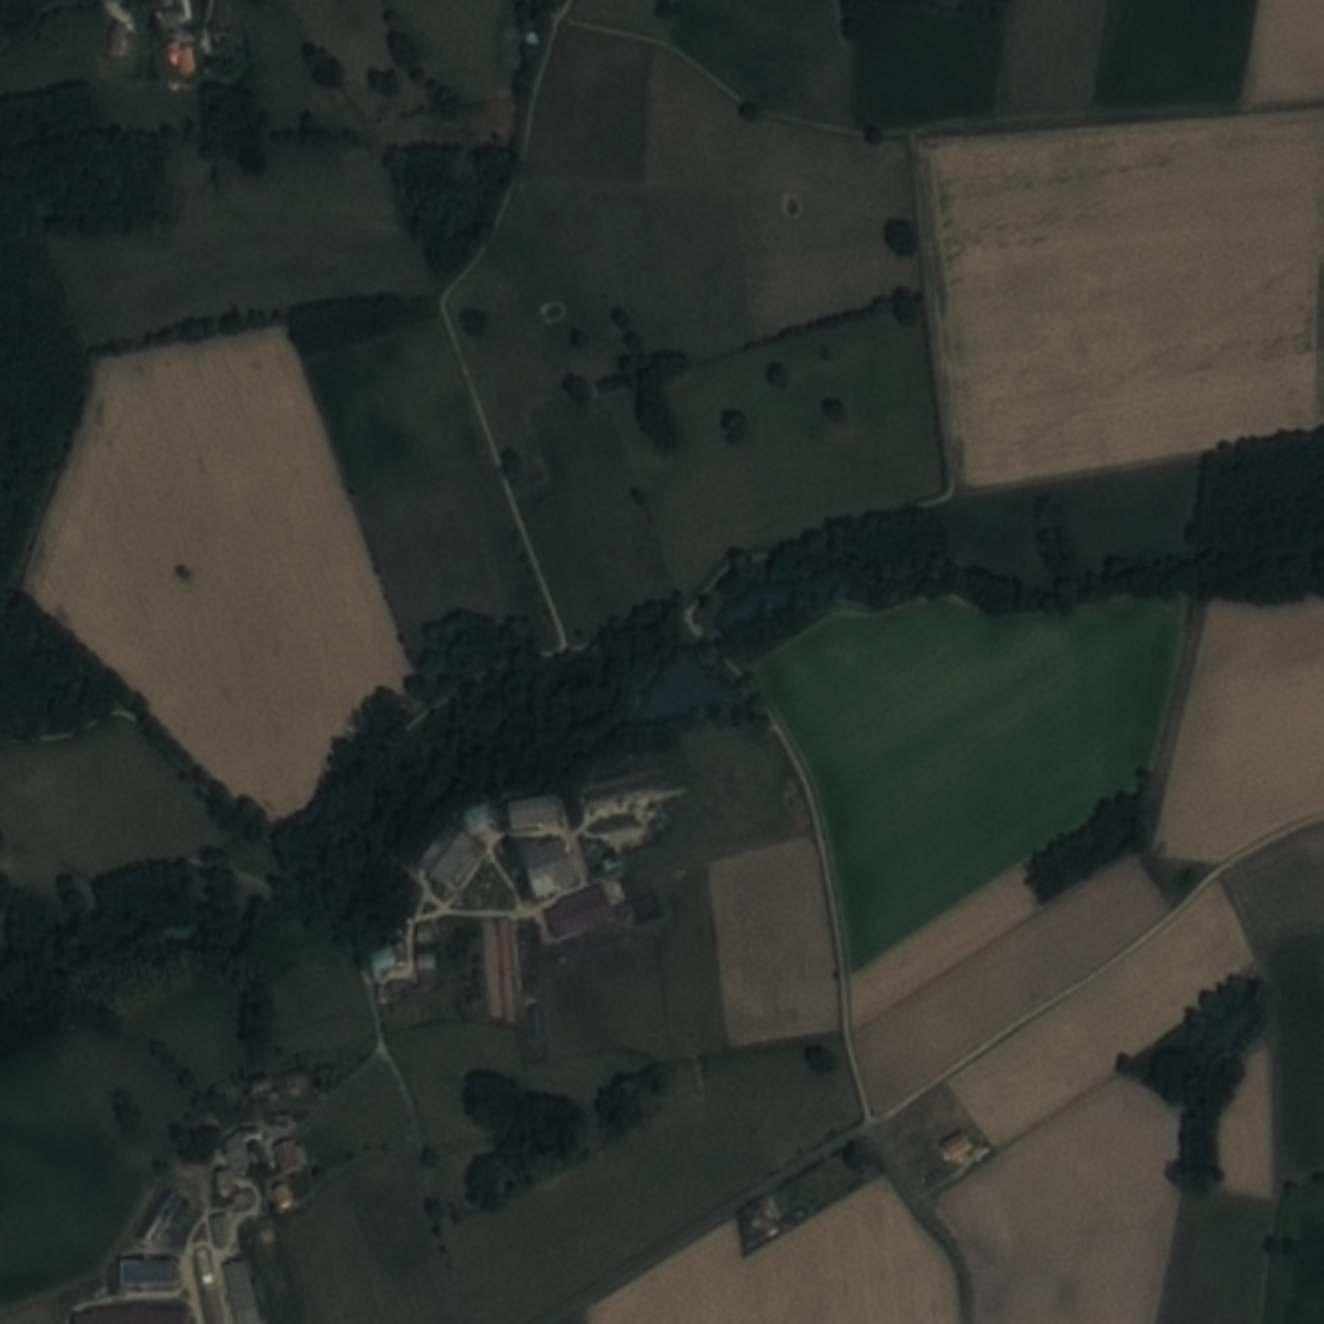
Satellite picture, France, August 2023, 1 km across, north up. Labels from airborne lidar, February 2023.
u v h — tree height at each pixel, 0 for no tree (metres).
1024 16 0
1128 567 7
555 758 20
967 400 0
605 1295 0
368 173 0
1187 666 0
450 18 0
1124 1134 0
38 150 20
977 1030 0
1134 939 0
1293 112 0
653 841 0
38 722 15
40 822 0
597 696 25
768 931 0
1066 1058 0
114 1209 0
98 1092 0
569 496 0
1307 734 0
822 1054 14
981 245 0
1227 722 0
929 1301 0
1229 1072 18
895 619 0
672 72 0
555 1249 0
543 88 0
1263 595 22
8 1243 0
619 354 0
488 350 0
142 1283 0
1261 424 0
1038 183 0
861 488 0
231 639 0
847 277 0
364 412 0
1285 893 0
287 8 0
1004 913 0
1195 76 0
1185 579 15
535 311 0
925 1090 0
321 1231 0
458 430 0
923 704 0
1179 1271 0
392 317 12
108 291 0
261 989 18
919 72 0
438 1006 0
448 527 0
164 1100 0
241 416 0
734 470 0
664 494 0
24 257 19
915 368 0
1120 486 0
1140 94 0
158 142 8
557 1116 21
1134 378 0
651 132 0
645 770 0
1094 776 0
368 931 22
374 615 0
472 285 0
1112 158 0
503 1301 0
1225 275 0
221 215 0
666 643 17
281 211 0
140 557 0
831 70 0
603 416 0
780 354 0
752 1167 0
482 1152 0
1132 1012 0
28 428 23
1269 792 0
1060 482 0
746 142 0
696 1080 0
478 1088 18
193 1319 0
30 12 19
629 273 0
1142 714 0
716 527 0
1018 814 0
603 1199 0
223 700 0
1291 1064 0
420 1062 0
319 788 0
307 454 0
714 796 0
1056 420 0
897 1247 0
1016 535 0
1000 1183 0
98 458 0
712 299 0
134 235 23
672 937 0
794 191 0
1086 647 0
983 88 0
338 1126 0
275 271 0
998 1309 0
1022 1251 0
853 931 0
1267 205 0
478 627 13
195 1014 0
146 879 20
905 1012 0
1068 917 0
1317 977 0
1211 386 0
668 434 19
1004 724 0
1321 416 0
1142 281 0
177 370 0
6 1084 0
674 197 0
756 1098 0
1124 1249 0
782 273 0
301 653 0
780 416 0
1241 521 17
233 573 0
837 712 0
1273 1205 0
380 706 16
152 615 0
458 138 0
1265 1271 0
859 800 0
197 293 0
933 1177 0
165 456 0
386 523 0
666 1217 0
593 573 0
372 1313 0
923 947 0
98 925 17
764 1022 0
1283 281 0
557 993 0
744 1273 0
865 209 0
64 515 0
